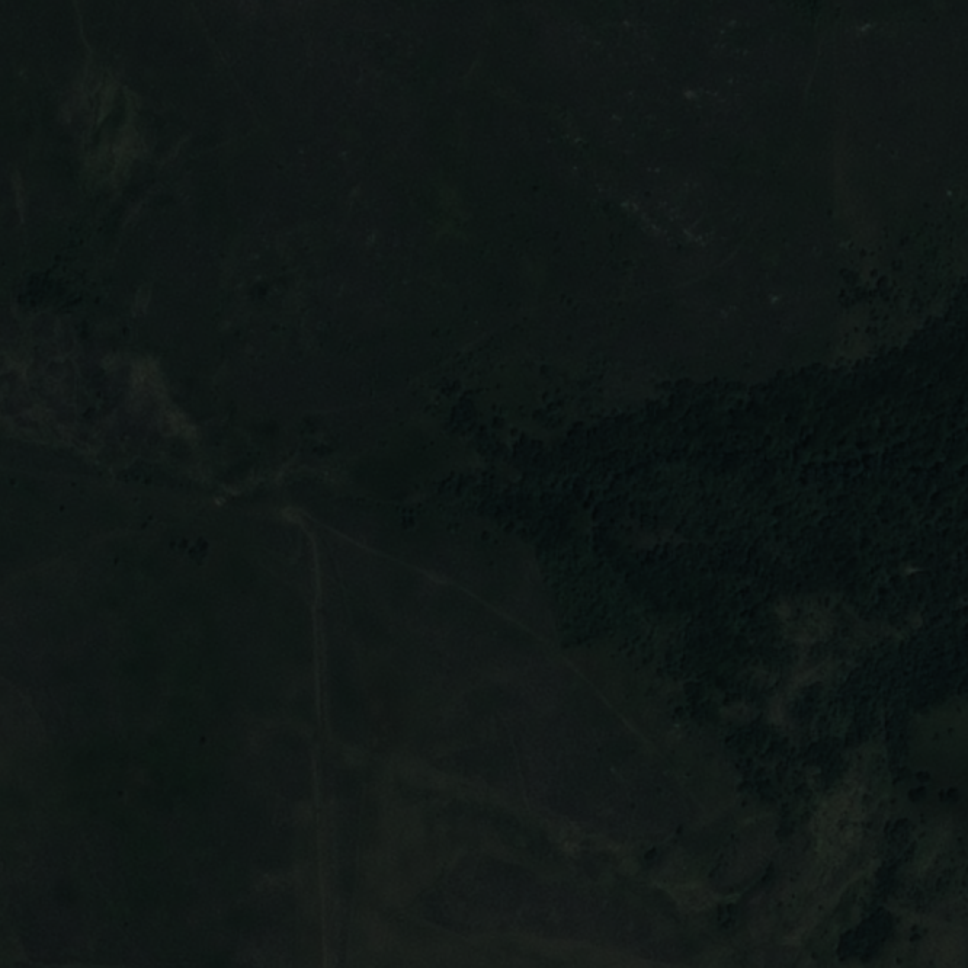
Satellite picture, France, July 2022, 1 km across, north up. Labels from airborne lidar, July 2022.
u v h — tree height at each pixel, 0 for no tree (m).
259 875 0
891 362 9
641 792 0
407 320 0
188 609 0
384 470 0
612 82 0
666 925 0
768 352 0
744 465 11
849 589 12
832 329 0
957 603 8
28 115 0
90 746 0
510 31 0
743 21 0
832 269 0
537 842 0
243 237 0
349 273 0
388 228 0
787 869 0
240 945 0
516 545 0
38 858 0
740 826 0
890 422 12
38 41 0
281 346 0
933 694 12
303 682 0
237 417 0
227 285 0
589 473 7
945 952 0
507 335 0
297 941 0
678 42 0
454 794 0
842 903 0
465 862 0
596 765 0
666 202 0
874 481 12
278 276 0
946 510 6
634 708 0
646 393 0
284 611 0
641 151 0
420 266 0
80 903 0
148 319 0
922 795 11
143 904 0
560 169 0
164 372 0
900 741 8
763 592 9
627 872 0
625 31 0
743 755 8
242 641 0
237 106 0
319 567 0
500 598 0
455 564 0
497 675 0
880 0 0
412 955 0
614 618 6
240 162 0
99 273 0
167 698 0
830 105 0
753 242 0
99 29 0
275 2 0
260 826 0
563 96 0
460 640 0
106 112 0
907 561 11
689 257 0
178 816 0
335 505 0
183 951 0
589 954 0
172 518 0
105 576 0
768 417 14
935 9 0
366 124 0
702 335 0
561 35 0
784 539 8
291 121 0
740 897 0
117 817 0
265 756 0
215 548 0
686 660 7
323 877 0
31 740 0
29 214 0
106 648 0
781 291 0
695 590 13
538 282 0
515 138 0
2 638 0
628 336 0
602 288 0
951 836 0
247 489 0
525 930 0
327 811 0
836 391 13
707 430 16
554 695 0
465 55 0
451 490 6
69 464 0
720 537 6
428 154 0
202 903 0
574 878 0
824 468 12
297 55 0
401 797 0
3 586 0
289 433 0
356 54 0
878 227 0
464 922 0
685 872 0
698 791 0
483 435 8
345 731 0
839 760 6
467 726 0
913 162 0
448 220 0
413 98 0
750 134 0
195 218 0
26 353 0
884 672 6
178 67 0
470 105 0
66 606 0
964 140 0
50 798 0
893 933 8
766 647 8
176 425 0
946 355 14
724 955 0
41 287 6
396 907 0
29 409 0
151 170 0
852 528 7
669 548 8
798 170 0
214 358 0
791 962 0
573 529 7
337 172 0
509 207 0
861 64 0
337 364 0
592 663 0
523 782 0
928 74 0
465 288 0
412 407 0
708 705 6
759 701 6
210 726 0
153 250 0
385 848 0
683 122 0
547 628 0
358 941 0
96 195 0
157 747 0
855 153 0
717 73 0
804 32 0
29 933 0
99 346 0
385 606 0
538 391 0
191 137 0
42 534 0
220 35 0
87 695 0
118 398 0
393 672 0
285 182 0
